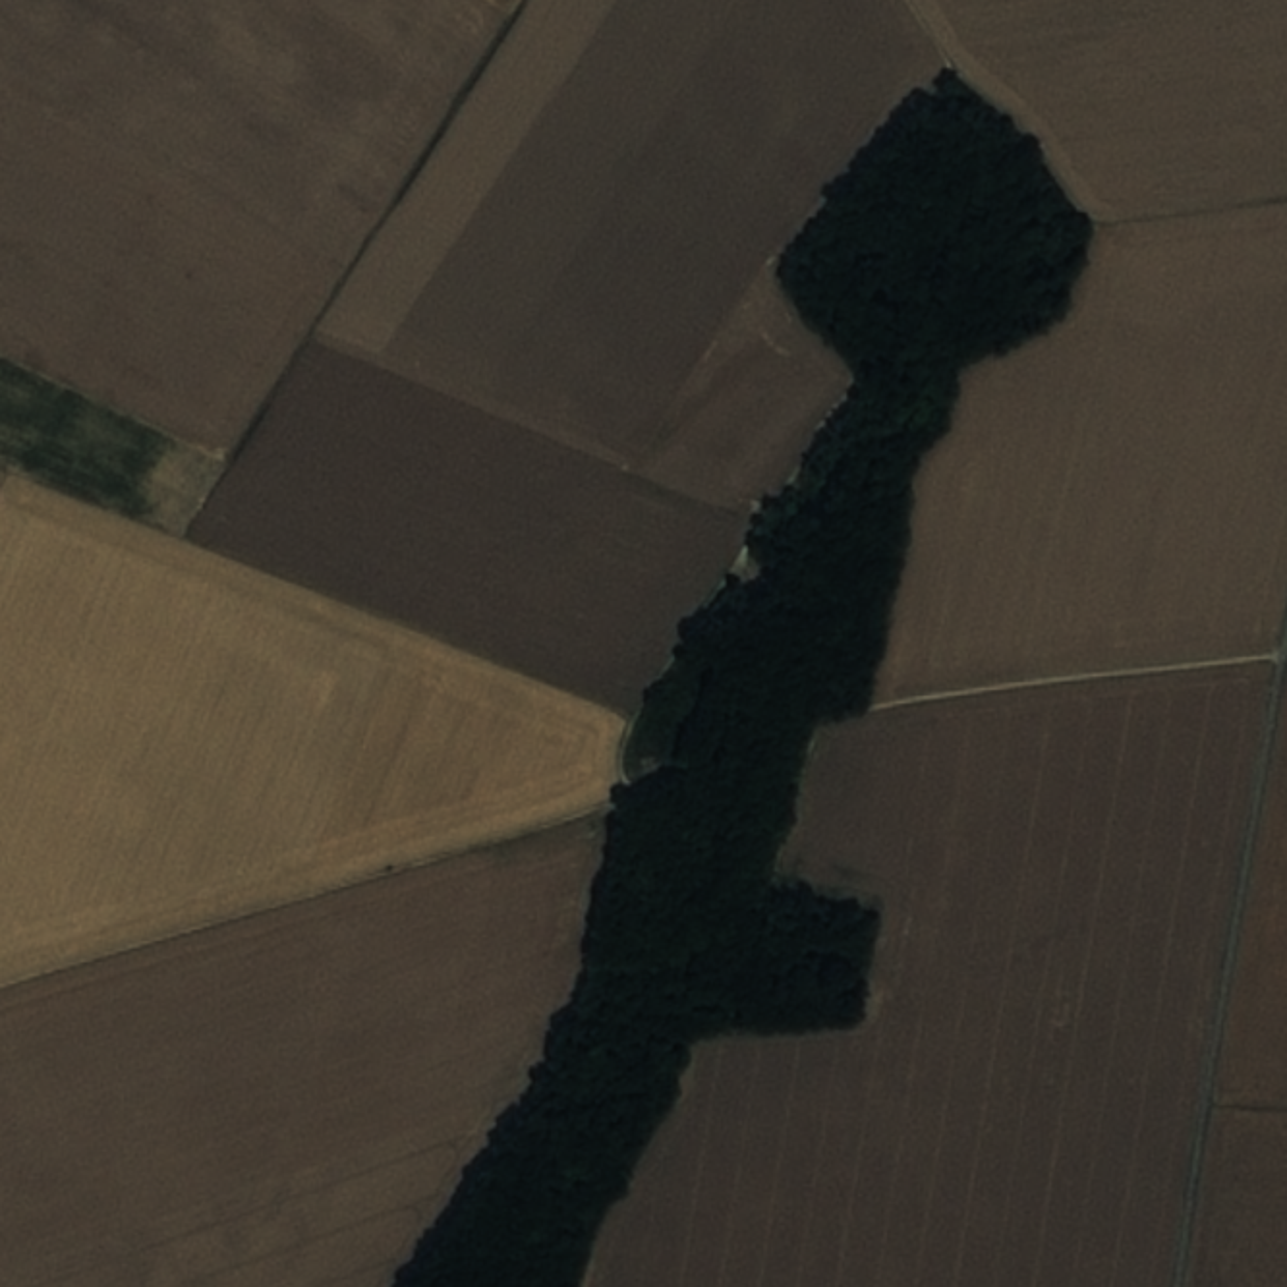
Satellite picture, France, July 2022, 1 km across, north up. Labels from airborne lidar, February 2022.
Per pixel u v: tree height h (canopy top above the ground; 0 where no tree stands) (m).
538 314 0
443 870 0
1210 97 0
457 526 0
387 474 0
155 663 0
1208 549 0
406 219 0
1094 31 0
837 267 22
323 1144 0
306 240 0
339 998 0
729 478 0
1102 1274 0
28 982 0
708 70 0
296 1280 0
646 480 0
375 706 0
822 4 0
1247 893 0
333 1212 0
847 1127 0
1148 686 0
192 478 0
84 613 0
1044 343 0
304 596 0
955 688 0
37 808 0
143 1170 0
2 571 0
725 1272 0
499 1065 0
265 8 0
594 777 0
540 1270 24
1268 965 0
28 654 0
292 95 0
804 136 0
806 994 25
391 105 0
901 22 0
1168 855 0
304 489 0
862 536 23
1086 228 16
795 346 0
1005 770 0
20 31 0
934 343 26
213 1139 0
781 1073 0
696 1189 0
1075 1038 0
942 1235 0
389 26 0
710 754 19
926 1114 0
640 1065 20
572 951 0
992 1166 0
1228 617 0
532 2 0
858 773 0
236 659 0
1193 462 0
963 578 0
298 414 0
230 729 0
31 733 0
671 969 23
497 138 0
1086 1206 0
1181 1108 0
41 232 0
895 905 0
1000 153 18
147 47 0
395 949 0
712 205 0
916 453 13
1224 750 0
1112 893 0
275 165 0
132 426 0
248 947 0
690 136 0
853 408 12
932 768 0
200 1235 0
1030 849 0
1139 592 0
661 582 0
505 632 0
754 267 0
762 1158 0
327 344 0
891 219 21
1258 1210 0
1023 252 26
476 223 0
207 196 0
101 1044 0
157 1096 0
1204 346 0
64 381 0
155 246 0
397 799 0
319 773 0
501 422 0
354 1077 0
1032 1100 0
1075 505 0
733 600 11
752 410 0
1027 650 0
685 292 0
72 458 0
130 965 0
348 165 0
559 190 0
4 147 0
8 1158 0
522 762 0
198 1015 0
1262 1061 0
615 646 0
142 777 0
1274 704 0
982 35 0
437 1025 0
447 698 0
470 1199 18
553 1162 23
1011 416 0
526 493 0
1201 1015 0
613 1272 0
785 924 17
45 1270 0
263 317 0
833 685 19
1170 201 0
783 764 20
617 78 0
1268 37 0
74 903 0
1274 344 0
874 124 0
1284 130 0
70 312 0
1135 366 0
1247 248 0
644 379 0
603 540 0
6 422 0
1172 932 0
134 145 0
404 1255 0
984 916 0
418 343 0
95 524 0
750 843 21
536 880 0
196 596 0
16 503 0
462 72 0
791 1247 0
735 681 18
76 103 0
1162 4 0
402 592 0
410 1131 0
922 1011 0
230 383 0
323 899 0
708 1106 0
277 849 0
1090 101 0
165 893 0
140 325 0
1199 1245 0
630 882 17
